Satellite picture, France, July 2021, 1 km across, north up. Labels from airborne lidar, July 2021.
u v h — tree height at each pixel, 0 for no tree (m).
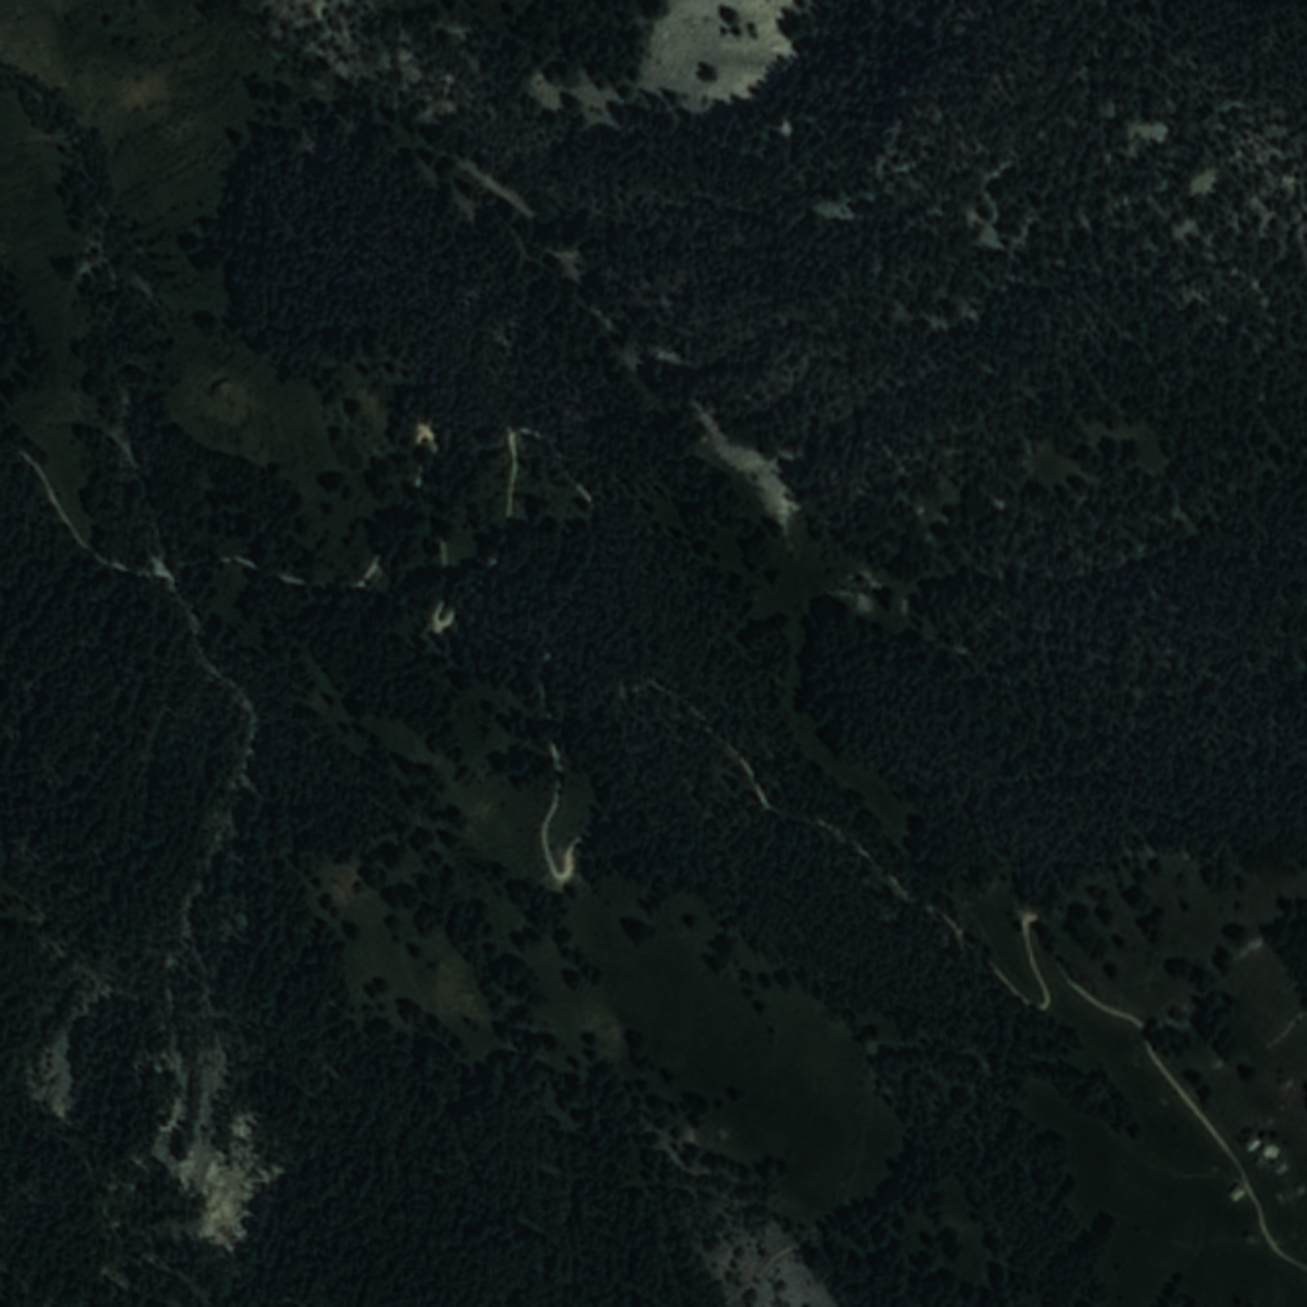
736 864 16
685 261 18
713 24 0
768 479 0
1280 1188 0
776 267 13
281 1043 24
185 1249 23
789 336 11
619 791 22
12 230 0
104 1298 22
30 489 20
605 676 16
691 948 0
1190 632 14
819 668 22
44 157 0
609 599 22
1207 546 17
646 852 15
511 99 14
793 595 0
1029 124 16
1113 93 17
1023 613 10
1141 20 11
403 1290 22
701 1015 0
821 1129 0
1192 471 18
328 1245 21
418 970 0
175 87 0
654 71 0
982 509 14
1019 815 14
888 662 23
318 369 20
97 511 18
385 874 19
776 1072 0
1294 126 9
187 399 0
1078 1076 26
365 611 19
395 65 7
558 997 0
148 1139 16
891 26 15
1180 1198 0
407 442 10
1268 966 0
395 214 22
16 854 11
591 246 23
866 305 15
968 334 18
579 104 19
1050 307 11
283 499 17
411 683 19
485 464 14
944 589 18
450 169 15
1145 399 17
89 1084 7
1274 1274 0
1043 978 0
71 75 0
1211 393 23
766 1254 9
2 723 16
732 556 0
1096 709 12
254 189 26
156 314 8
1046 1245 18
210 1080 0
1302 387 20
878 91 13
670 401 30
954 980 21
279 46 9
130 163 0
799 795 26
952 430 14
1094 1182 0
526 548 24
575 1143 17
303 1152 20
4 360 21
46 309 0
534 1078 26
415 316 20
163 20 0
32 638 28
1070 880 23
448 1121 29
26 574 27
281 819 25
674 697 16
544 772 20
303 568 17
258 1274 14
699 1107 22
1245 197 11
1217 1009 8
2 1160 14
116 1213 12
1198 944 0
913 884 22
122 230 14
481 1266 22
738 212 16
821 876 21
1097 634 16
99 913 19
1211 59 12
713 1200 16
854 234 17
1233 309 16
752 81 0
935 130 13
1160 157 15
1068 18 13
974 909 0
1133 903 20
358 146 16
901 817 0
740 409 15
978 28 14
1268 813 13
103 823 20
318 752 23
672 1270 15
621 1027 0
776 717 23
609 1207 17
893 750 13
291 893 18
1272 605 15
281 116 18
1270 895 0
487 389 14
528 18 12
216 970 14
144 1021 18
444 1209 24
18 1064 9
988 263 13
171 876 24
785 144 20
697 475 16
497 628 12
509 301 18
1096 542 13
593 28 11
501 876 19
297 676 18
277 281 23
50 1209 13
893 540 17
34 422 0
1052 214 22
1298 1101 0
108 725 27
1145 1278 0
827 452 22
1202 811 14
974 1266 0
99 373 19
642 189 12
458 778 5
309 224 22
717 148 18
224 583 0
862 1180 0
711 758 23
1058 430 9
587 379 21
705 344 12
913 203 9
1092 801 19
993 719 18
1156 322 17
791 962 16
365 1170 24
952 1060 22
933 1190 19
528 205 9
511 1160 24
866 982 24
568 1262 13
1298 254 11
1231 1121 0
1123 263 11
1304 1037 0
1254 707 14
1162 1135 0
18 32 0
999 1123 12
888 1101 11
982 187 13
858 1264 21
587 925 0
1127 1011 0
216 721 14
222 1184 0
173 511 16
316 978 22
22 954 18
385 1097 29
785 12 0
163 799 26
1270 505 15
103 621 31
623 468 29
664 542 17
